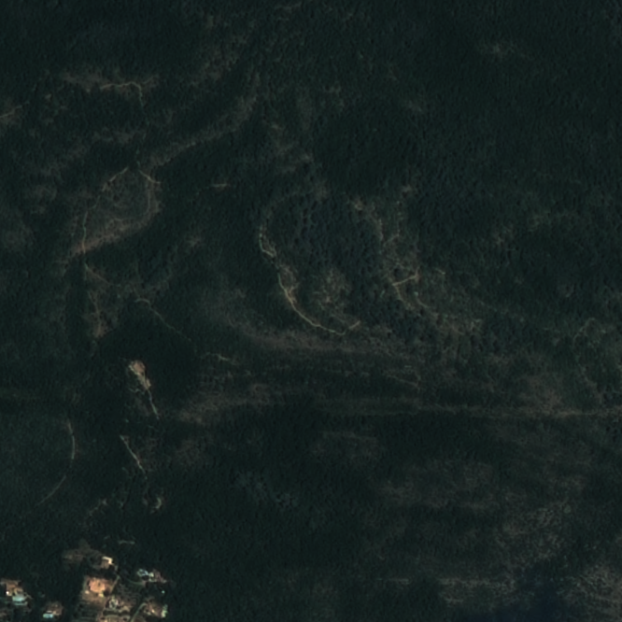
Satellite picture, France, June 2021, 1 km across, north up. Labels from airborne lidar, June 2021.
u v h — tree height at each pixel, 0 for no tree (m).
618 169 10
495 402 7
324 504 8
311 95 7
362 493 8
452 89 15
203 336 7
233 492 14
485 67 8
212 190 9
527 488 6
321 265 14
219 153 13
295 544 10
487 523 9
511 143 12
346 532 10
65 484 6
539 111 10
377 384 9
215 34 7
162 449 9
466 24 9
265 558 11
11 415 7
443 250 8
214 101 7
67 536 9
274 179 7
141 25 12
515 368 7
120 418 12
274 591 7
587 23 10
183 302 7
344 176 10
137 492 10
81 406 11
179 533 9
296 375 7
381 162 13
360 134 11
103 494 10
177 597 11
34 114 11
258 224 14
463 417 10
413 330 11
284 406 7
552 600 7
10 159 8
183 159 11
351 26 9
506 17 9
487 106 13
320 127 13
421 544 8
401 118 11
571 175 6
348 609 7
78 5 14
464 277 9
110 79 8
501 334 11
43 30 14
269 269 6
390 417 12
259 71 8
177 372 14
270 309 6
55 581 8
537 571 7
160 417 7
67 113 9
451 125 6
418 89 11
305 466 15
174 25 11
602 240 15
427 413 9
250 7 10
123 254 10
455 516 12
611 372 7
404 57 15
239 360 6
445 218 13
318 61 9
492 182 7
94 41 17
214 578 10
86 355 9
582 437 6
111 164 9
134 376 6
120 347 14
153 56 12
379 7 10
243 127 6
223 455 11
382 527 7
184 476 11
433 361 7
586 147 11
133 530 12
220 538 9
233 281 7
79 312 10
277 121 7
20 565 8
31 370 10
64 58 14
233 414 8
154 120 6
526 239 12
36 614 13
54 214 10
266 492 17
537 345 8
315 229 14
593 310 10
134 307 10
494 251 6
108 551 11
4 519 8
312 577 6
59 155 8
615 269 12
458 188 11
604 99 10
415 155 11
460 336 6
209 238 6
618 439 15
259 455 7
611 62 11
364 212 11
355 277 9
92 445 9
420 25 16
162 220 9
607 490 11
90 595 0
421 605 6
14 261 7
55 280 6
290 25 9
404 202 6
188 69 6
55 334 8
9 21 14
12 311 9
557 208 8
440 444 12
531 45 10
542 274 12
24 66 9
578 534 7
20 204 9
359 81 8
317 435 6
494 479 6
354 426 13
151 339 12
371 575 7
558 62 7
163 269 12
